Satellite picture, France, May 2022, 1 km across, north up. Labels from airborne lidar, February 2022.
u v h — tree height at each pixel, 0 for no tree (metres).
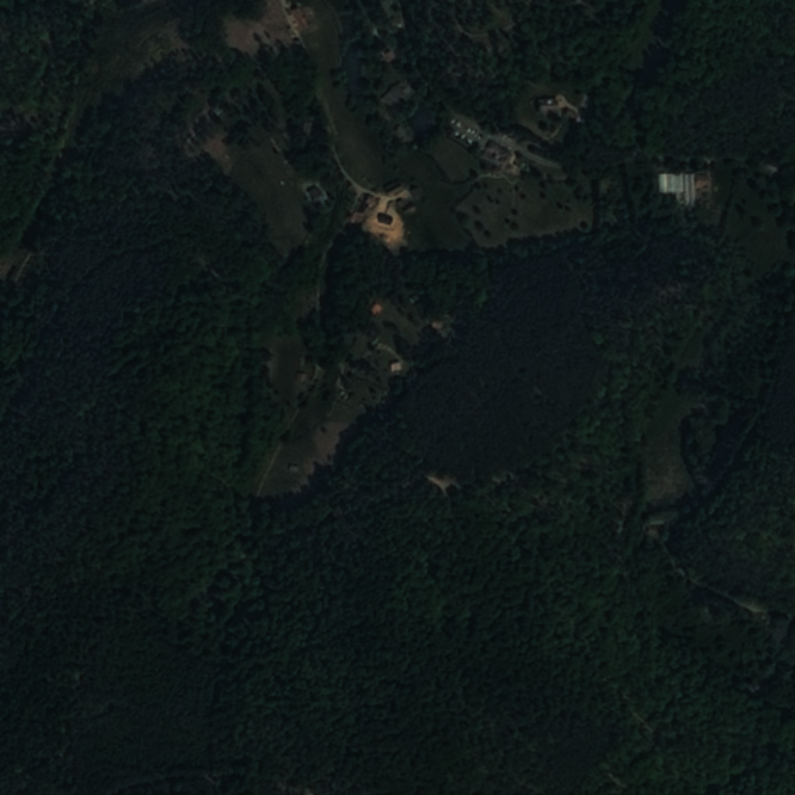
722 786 33
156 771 16
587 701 29
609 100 32
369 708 27
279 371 0
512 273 24
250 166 0
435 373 24
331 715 28
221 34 24
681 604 0
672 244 29
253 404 28
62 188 25
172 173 23
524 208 0
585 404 32
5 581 27
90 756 13
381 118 26
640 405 40
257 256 33
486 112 27
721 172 0
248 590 38
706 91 25
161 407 33
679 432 0
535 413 22
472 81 29
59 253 24
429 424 26
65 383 31
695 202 0
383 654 22
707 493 18
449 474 17
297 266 24
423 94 13
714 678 28
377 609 24
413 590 27
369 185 0
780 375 20
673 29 31
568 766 21
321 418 0
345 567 22
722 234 12
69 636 27
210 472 35
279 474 0
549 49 28
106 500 25
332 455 0
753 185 22
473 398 22
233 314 29
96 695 16
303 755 26
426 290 24
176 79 24
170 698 13
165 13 0
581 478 26
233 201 28
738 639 0
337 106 0
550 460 27
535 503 29
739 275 22
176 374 35
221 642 11
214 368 32
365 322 22
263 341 0
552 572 29
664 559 19
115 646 15
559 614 27
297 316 0
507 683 29
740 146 23
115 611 28
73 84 35
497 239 0
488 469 19
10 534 31
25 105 26
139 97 26
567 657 28
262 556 32
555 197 0
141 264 24
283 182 0
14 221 31
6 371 6
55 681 25
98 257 17
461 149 0
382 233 0
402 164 0
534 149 13
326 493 35
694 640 15
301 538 30
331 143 9
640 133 33
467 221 17
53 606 30
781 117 24
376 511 25
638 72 0
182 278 20
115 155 36
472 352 23
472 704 29
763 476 30
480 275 28
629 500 22
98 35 27
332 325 23
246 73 16
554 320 21
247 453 30
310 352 28
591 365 22
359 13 24
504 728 21
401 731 28
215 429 33
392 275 23
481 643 35
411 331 0
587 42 29
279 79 26
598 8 14
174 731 14
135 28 0
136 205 25
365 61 18
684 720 24
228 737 20
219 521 30
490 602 30
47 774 28
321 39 0
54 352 31
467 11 29
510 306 24
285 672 29
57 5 31
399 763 27
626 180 17
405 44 19
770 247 0
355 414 0
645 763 27
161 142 28
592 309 32
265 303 35
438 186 0
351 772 24
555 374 22
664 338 35
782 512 26
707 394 26
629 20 31
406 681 27
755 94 22
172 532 29
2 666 29
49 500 29
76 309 22
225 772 9
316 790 19
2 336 31
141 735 15
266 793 23
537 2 25
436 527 23
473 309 27
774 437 17
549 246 23
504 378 21
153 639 17
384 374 0
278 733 25
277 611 28
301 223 0
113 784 18
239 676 27
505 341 22
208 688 16
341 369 0
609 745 24
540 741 20
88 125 17
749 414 25
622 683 30
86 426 26
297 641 28
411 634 26
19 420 34
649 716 25
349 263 30
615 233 20
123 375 24
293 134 21
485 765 22
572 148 25
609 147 34
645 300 28
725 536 26
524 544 30
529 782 26
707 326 0
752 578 28
